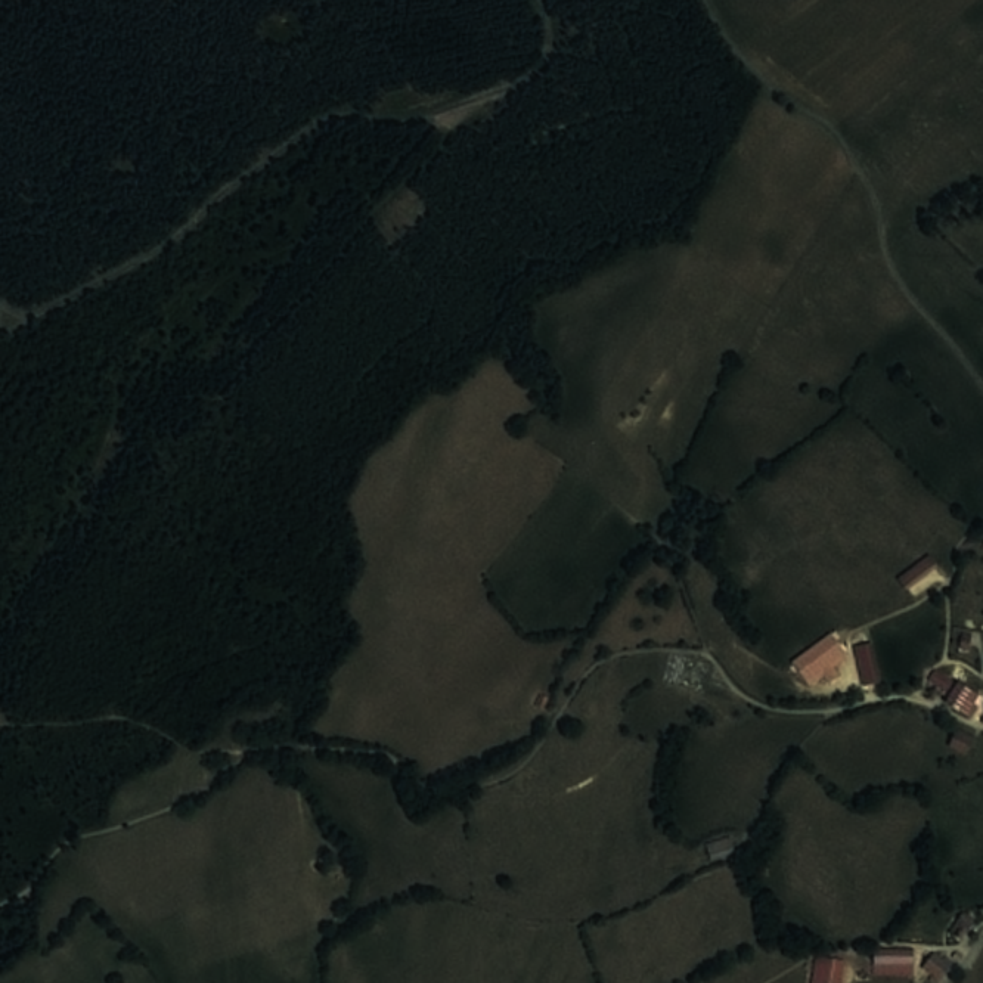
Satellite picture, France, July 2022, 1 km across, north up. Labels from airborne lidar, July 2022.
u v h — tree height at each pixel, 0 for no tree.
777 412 0
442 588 0
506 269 21
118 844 0
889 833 0
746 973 0
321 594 11
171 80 27
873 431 9
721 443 0
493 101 0
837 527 0
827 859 0
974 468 0
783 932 15
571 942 0
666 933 0
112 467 18
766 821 12
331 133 19
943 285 0
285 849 0
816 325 0
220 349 9
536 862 0
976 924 7
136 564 10
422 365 12
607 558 0
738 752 0
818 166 0
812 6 0
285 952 0
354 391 9
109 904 0
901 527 0
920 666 0
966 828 0
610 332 0
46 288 17
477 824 0
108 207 21
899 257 0
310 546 15
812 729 0
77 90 23
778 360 0
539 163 13
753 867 23
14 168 24
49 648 6
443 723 0
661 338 0
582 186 17
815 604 0
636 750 0
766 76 0
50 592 8
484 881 0
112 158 25
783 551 0
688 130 17
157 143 22
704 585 0
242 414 12
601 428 0
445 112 0
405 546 0
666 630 0
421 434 0
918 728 0
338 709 0
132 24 25
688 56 18
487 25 24
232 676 7
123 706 9
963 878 0
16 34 21
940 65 0
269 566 12
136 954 14
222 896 0
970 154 0
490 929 0
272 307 17
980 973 0
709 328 0
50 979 0
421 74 21
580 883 0
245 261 0
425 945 0
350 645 12
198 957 0
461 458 0
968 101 0
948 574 0
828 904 0
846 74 0
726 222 0
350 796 0
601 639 0
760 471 15
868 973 0
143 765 9
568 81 18
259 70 20
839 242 0
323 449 12
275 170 11
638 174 16
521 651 0
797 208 0
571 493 0
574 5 19
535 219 9
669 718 0
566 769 0
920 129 0
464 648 0
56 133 20
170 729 9
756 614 0
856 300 0
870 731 0
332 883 0
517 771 0
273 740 19
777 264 0
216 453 9
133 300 5
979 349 0
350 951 0
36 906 19
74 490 19
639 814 0
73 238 16
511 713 0
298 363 14
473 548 0
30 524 10
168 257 14
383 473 0
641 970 0
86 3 27
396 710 0
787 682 0
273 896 0
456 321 13
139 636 11
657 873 0
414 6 19
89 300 9
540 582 0
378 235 10
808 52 0
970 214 26
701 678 0
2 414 12
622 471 0
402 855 0
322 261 17
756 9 0
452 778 21
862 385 0
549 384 22
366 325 12
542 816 0
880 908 0
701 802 0
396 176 15
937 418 12
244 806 0
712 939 0
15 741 8
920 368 0
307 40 15
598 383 0
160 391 8
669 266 0
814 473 0
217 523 8
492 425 0
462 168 15
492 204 16
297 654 7
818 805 0
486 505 0
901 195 0
